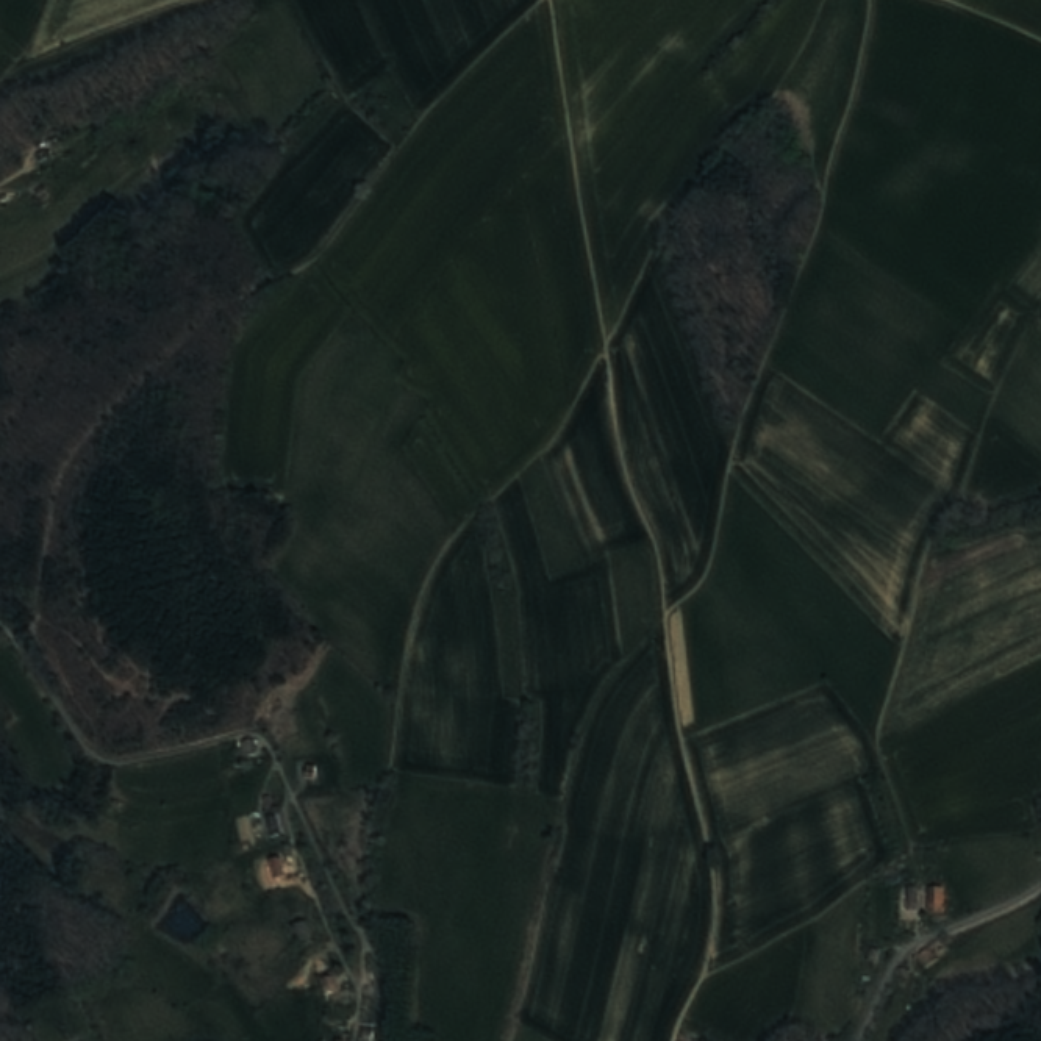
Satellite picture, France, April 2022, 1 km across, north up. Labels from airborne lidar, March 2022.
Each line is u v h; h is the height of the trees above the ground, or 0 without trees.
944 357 0
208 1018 0
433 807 0
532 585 0
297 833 0
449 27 0
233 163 31
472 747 0
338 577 0
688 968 0
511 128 0
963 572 0
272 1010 0
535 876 0
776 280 26
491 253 0
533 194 0
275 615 15
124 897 0
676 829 0
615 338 0
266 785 0
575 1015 0
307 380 0
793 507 0
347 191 0
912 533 0
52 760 0
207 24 27
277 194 0
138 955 0
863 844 0
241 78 0
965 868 0
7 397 11
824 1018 0
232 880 0
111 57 20
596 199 0
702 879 0
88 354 7
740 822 0
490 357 0
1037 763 0
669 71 0
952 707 0
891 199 0
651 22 0
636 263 0
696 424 0
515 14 0
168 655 11
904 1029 0
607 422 0
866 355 0
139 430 10
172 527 13
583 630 0
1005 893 0
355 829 0
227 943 0
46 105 26
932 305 0
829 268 0
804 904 0
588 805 0
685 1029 0
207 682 15
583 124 0
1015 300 0
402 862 0
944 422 0
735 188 26
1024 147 0
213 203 16
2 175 24
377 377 0
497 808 0
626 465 0
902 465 0
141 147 0
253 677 9
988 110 0
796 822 0
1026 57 0
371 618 0
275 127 0
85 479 8
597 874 0
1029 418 0
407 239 0
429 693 0
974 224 0
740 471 0
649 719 0
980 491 0
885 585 0
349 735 0
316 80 0
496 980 0
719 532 0
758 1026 0
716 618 0
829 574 0
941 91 0
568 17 0
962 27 0
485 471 0
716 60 8
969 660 0
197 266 10
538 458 0
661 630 0
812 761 0
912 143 0
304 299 0
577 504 0
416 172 0
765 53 0
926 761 0
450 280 0
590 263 0
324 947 0
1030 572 0
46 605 9
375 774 0
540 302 0
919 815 0
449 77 0
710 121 0
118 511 15
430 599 0
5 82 0
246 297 7
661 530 0
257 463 0
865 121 0
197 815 0
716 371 25
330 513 0
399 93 0
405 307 0
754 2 0
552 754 0
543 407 0
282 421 0
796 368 0
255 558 12
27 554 12
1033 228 0
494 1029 0
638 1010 0
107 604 12
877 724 0
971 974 0
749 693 0
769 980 0
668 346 0
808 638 0
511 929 0
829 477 0
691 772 0
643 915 0
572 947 0
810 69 0
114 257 17
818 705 0
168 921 0
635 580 0
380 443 0
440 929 0
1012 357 0
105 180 0
